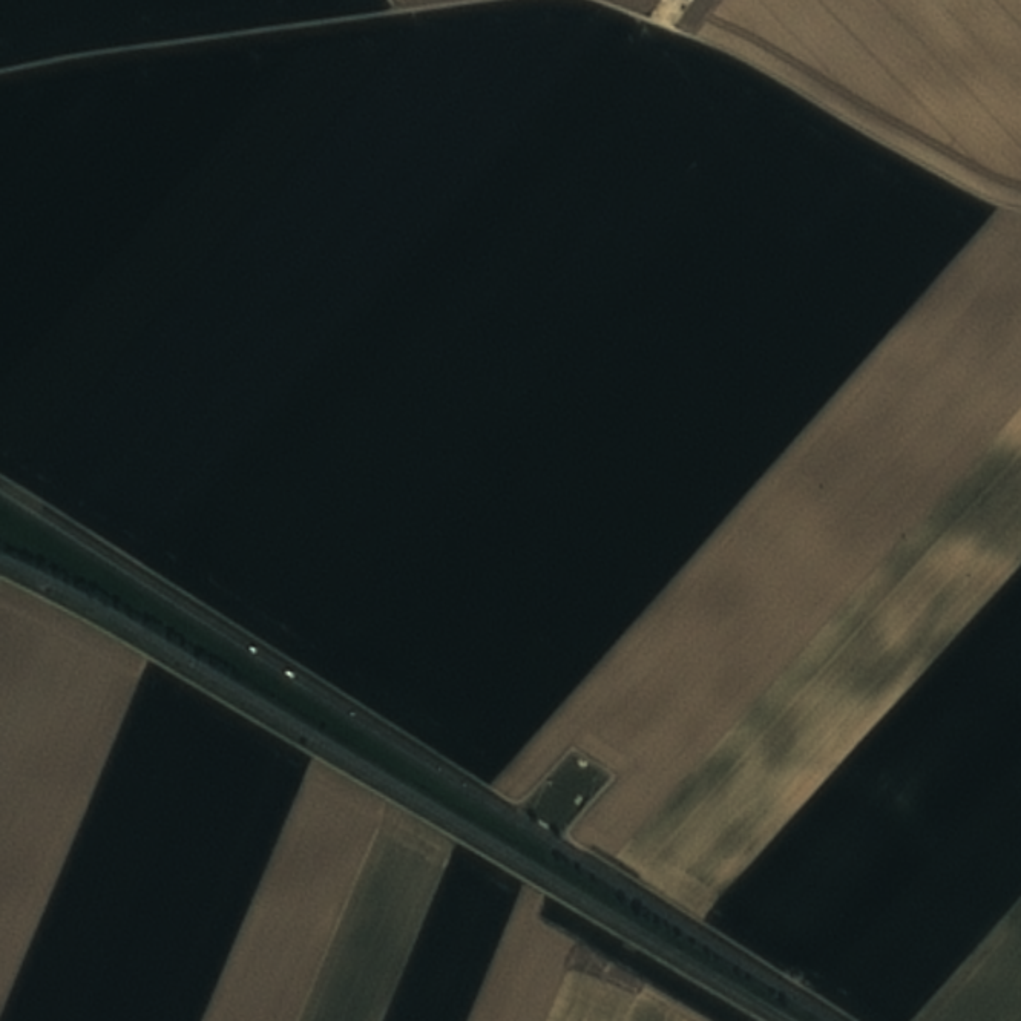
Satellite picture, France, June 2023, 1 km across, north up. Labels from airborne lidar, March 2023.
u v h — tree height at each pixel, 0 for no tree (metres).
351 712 0
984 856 0
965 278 0
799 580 0
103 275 0
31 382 0
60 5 0
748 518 0
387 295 0
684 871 0
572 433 0
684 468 0
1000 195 0
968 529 0
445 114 0
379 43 0
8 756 0
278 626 0
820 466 0
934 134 0
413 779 0
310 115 0
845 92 0
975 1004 0
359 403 0
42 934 0
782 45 0
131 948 0
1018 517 0
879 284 0
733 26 0
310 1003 0
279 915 0
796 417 0
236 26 0
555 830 13
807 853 0
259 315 0
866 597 0
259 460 0
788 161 0
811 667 0
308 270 0
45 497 0
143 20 0
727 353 0
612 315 0
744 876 0
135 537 0
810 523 0
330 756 0
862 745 0
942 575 0
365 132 0
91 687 0
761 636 0
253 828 0
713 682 0
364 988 0
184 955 0
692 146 0
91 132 0
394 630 0
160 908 0
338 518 0
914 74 0
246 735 0
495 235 0
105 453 0
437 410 0
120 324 0
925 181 0
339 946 0
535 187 0
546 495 0
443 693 0
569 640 0
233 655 0
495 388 0
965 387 0
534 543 0
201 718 0
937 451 0
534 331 0
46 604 0
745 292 0
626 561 0
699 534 0
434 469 0
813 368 0
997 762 0
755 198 0
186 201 0
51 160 0
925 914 0
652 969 0
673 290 0
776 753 0
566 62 0
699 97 0
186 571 0
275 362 0
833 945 0
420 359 0
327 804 0
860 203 0
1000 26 0
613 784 0
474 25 0
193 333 0
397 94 0
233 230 0
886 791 0
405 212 0
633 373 0
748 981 7
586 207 0
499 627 0
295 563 0
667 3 0
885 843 0
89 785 0
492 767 0
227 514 0
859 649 0
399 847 0
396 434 0
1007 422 0
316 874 0
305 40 0
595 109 0
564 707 0
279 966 0
